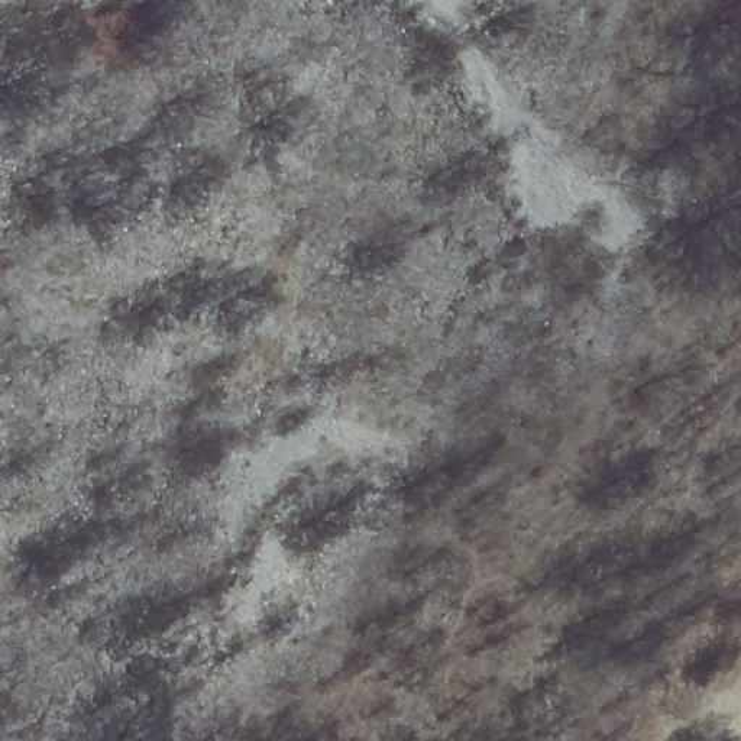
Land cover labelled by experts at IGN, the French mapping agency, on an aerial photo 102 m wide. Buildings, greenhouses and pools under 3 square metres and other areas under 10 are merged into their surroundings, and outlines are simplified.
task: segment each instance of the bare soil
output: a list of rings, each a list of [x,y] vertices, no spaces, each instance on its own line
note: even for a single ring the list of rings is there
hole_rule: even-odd
[[[579,327],[576,336],[576,353],[611,359],[619,321],[617,295],[622,292],[622,269],[631,263],[631,249],[645,243],[645,223],[651,217],[677,214],[674,197],[686,188],[686,177],[669,168],[634,177],[628,174],[628,165],[637,159],[640,148],[651,151],[660,145],[654,139],[654,116],[666,104],[666,98],[692,90],[692,67],[686,64],[689,58],[677,46],[666,43],[666,23],[683,12],[703,12],[712,0],[0,0],[0,741],[55,741],[61,732],[69,732],[75,698],[93,698],[107,674],[122,672],[122,686],[127,695],[122,700],[127,712],[122,712],[104,727],[101,741],[182,741],[185,727],[203,729],[206,718],[211,718],[211,695],[217,689],[229,689],[237,698],[240,689],[269,683],[263,666],[266,640],[278,640],[278,654],[307,654],[301,645],[292,645],[292,637],[318,634],[327,625],[327,605],[347,596],[359,573],[359,562],[368,556],[368,550],[394,550],[385,570],[394,582],[408,582],[449,559],[449,544],[402,547],[402,524],[425,521],[428,509],[437,509],[457,486],[475,480],[483,469],[492,466],[507,440],[501,431],[495,431],[486,440],[480,440],[480,446],[472,452],[454,452],[449,446],[449,434],[454,423],[457,391],[443,388],[440,405],[417,402],[417,388],[423,376],[434,371],[443,359],[460,353],[460,342],[454,336],[443,336],[443,321],[452,298],[463,295],[469,284],[489,281],[489,292],[483,292],[483,298],[489,307],[501,301],[501,292],[521,292],[524,304],[530,307],[547,298],[553,310],[562,313],[573,307],[582,295],[593,295],[599,289],[605,313],[588,313],[588,321]]]

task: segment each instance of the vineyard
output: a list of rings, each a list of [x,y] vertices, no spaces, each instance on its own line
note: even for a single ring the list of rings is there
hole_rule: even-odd
[[[735,686],[712,695],[715,715],[729,715],[729,732],[738,741],[741,741],[741,674]]]

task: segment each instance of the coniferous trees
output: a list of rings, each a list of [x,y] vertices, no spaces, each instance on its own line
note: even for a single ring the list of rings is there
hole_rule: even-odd
[[[61,732],[55,741],[101,741],[104,727],[122,712],[127,712],[122,700],[127,695],[122,686],[122,672],[107,674],[93,698],[75,698],[69,732]]]
[[[211,695],[211,718],[206,718],[203,729],[185,727],[182,741],[738,741],[729,732],[729,715],[715,715],[712,695],[735,686],[741,674],[741,0],[712,0],[703,12],[683,12],[666,23],[666,43],[677,46],[689,58],[686,64],[692,67],[692,90],[666,98],[666,104],[654,116],[654,139],[660,145],[651,151],[640,148],[637,159],[628,165],[628,174],[634,177],[669,168],[686,177],[686,188],[674,197],[677,214],[651,217],[645,223],[645,243],[631,249],[631,263],[622,269],[622,292],[617,295],[619,321],[611,359],[576,353],[576,336],[579,327],[588,321],[588,313],[605,313],[599,289],[593,295],[582,295],[573,307],[562,313],[553,310],[547,298],[530,307],[524,304],[521,292],[501,292],[501,301],[489,307],[483,298],[483,292],[489,292],[489,281],[469,284],[463,295],[452,298],[443,321],[443,336],[454,336],[460,342],[460,353],[443,359],[434,371],[423,376],[417,388],[417,402],[440,405],[443,388],[457,391],[454,423],[449,434],[449,446],[454,452],[472,452],[480,446],[480,440],[486,440],[495,431],[501,431],[507,440],[492,466],[483,469],[475,480],[457,486],[437,509],[428,509],[425,521],[402,524],[402,547],[449,544],[449,559],[408,582],[394,582],[385,570],[394,550],[368,550],[368,556],[359,562],[359,573],[347,596],[327,605],[327,625],[318,634],[292,637],[292,645],[301,645],[307,654],[278,654],[278,640],[266,640],[263,666],[269,683],[240,689],[237,698],[229,689],[217,689]]]

